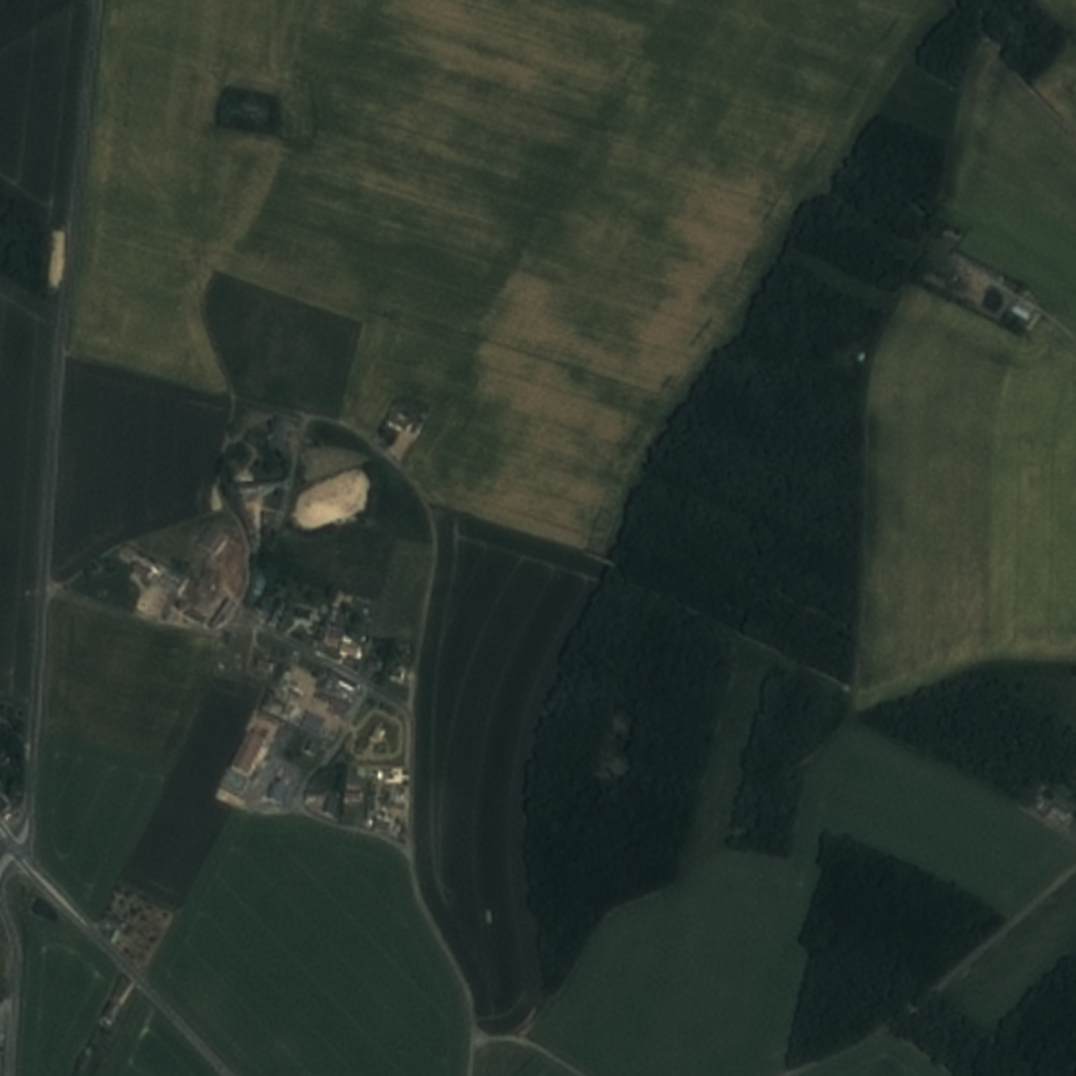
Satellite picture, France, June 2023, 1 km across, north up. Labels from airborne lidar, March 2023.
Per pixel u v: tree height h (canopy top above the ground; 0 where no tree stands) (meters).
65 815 0
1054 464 0
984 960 0
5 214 16
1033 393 0
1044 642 0
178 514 0
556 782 18
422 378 0
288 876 0
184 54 0
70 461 0
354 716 0
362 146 0
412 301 0
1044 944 0
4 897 0
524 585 0
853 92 0
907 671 0
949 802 0
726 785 0
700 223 0
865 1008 19
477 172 0
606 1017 0
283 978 0
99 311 0
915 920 16
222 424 0
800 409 22
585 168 0
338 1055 0
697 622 13
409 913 0
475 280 0
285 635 0
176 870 0
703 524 20
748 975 0
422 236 0
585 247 0
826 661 15
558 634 0
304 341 0
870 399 0
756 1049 0
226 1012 0
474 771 0
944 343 0
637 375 0
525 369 0
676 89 0
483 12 0
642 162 0
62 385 0
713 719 18
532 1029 0
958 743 14
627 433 0
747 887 0
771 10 0
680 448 20
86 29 0
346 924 0
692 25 0
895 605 0
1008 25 17
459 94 0
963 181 0
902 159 15
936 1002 14
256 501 0
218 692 0
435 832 0
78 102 0
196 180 0
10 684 0
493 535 0
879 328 12
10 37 0
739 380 20
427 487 0
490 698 0
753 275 0
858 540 15
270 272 0
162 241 0
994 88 0
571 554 0
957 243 0
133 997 0
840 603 19
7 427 0
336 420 0
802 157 0
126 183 0
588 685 16
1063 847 0
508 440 0
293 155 0
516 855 0
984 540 0
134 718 0
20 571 0
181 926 0
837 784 0
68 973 0
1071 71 0
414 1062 0
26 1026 0
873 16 0
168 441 0
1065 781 14
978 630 0
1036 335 0
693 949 0
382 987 0
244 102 7
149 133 0
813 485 20
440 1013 0
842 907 10
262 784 0
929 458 0
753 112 0
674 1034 0
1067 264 0
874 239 15
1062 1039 17
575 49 0
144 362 0
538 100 0
